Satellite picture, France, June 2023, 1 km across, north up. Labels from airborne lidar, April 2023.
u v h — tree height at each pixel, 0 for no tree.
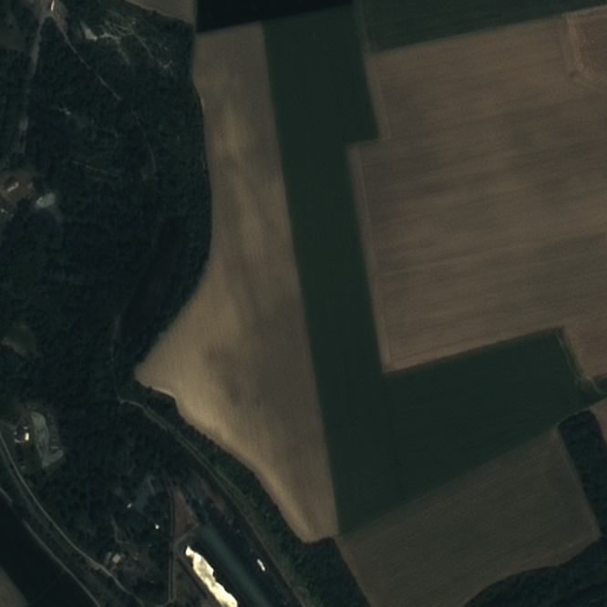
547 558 0
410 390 0
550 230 0
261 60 0
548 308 0
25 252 6
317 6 0
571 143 0
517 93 0
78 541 14
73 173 27
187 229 17
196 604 13
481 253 0
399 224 0
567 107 0
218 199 0
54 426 0
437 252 0
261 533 0
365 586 0
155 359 0
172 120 6
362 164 0
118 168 23
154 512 21
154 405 14
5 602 0
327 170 0
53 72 19
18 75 12
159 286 0
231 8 0
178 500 0
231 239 0
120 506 23
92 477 27
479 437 0
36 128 29
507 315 0
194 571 0
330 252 0
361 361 0
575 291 0
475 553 0
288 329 0
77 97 18
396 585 0
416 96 0
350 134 0
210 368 0
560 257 0
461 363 0
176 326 0
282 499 0
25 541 0
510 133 0
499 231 0
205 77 0
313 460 0
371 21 0
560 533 0
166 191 18
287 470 0
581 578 18
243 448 0
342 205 0
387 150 0
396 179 0
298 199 0
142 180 33
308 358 0
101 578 13
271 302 0
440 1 0
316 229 0
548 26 0
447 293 0
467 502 0
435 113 0
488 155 0
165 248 0
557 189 0
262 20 0
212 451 10
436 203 0
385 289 0
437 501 0
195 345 0
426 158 0
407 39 0
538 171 0
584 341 0
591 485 17
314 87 0
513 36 0
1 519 0
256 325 0
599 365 0
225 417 0
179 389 0
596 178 0
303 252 0
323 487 0
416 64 0
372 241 0
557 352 0
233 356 0
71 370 21
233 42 0
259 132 0
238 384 0
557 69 0
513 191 0
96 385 13
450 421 0
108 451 16
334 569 19
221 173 0
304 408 0
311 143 0
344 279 0
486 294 0
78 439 20
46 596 0
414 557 0
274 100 0
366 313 0
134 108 8
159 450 10
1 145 12
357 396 0
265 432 0
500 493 0
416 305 0
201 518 15
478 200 0
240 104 0
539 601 24
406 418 0
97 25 9
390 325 0
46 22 8
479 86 0
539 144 0
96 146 10
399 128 0
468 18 0
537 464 0
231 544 31
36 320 13
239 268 0
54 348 19
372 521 0
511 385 0
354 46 0
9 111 13
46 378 23
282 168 0
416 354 0
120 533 0
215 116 0
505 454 0
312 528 0
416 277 0
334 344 0
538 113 0
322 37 0
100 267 31
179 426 17
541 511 0
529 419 0
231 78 0
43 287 10
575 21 0
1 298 10
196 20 0
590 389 0
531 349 0
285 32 0
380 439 0
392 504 0
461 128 0
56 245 11
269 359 0
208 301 0
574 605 16
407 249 0
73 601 0
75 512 16
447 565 0
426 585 0
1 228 0
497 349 0
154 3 0
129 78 10
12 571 0
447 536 0
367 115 0
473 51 0
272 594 31
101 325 24
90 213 25
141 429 6
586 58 0
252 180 0
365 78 0
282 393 0
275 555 0
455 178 0
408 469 0
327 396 0
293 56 0
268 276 0
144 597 0
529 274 0
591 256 0
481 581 0
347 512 0
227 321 0
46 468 0
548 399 0
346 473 0
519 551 0
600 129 0
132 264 22
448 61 0
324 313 0
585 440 22
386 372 0
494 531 0
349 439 0
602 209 0
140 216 24
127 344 0
